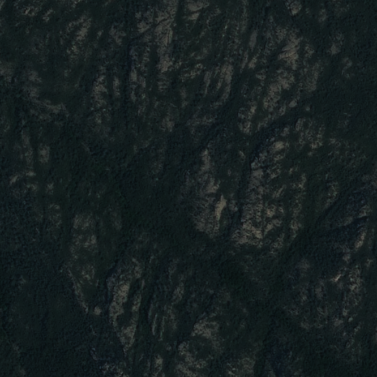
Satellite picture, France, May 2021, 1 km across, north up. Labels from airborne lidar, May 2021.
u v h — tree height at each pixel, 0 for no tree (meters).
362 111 14
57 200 6
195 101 13
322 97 9
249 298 15
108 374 7
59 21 16
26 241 18
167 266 5
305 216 6
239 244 7
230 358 10
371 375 9
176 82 21
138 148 6
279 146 0
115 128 17
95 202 8
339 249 10
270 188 7
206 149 9
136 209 6
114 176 13
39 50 7
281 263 22
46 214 9
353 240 13
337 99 12
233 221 14
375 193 10
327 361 13
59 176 5
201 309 8
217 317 9
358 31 14
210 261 9
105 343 8
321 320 6
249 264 7
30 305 8
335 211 11
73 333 11
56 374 15
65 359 22
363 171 12
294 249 27
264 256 14
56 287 13
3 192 5
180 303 8
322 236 12
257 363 12
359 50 13
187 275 9
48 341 16
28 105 15
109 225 7
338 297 7
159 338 7
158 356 7
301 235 11
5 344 6
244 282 6
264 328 8
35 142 10
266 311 16
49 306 11
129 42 6
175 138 6
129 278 6
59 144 11
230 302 20
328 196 7
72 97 6
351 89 7
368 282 8
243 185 14
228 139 9
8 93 11
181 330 8
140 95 10
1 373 17
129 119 11
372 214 9
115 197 11
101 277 14
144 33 7
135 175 20
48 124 9
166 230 15
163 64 0
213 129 12
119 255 22
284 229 7
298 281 9
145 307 12
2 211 13
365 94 14
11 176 7
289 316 7
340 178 11
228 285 9
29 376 6
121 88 6
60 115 13
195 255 16
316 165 8
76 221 0
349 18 13
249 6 6
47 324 22
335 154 11
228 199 6
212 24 9
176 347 8
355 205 13
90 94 12
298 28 12
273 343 8
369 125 11
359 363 9
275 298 6
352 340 9
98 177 13
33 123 12
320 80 9
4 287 13
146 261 7
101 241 6
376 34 12
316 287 7
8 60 7
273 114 10
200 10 5
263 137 12
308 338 12
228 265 24
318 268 11
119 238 6
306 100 8
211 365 6
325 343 6
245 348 5
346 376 9
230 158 9
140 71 6
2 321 18
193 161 6
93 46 6
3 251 7
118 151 6
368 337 16
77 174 14
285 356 19
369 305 10
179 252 9
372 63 9
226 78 0
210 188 0
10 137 6
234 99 11
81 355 18
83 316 14
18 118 10
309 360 10
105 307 7
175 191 8
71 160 7
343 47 14
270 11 20
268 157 9
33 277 8
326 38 10
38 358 18
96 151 16
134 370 10
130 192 7
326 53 9
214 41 8
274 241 11
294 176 10
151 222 11
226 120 10
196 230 7
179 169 7
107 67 8
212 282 6
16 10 6
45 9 6
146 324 14
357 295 10
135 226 10
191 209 7
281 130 11
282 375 13
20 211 16
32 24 10
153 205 9
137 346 15
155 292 13
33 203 10
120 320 15
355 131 8
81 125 7
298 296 9
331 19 12
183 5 9
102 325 8
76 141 9
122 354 12
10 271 7
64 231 13
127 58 7
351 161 12
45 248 13
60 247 13
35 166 6
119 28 15
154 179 11
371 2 24
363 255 9
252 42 0
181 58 7
